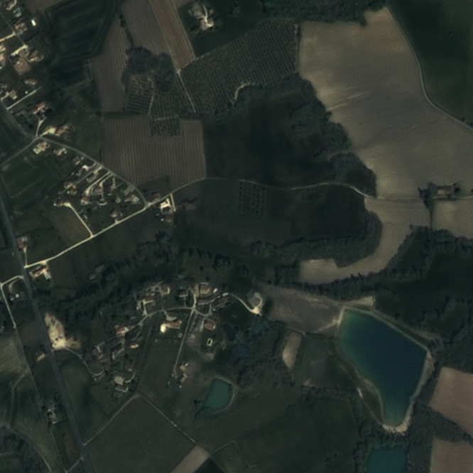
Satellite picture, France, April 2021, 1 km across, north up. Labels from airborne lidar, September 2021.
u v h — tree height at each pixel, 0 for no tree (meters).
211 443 0
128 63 10
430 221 0
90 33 0
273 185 0
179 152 0
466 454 0
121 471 0
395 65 0
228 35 0
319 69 0
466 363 13
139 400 0
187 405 0
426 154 0
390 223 0
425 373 0
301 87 16
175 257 31
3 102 0
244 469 0
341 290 19
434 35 0
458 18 0
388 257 0
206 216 0
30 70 0
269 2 20
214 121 9
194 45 0
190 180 0
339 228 0
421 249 0
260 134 0
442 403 0
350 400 11
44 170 0
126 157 0
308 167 0
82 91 0
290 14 16
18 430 0
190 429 0
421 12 0
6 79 0
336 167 21
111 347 7
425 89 0
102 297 26
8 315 8
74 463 0
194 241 0
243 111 0
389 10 0
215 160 0
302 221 0
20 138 0
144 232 0
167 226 0
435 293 0
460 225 0
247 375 12
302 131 13
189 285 12
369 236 18
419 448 16
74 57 0
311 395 7
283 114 0
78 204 0
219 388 0
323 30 0
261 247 20
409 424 0
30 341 0
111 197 0
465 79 0
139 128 0
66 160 0
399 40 0
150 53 14
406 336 0
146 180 0
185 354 0
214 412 0
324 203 0
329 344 0
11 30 0
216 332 0
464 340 16
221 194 0
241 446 0
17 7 0
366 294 14
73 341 0
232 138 0
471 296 0
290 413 0
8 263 0
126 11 0
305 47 0
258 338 10
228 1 0
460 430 14
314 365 0
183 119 13
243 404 0
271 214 0
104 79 0
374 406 0
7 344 0
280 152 0
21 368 0
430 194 15
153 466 0
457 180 0
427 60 0
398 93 0
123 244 0
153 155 0
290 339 0
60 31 0
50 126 0
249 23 0
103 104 0
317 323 0
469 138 0
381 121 0
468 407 0
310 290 12
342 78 0
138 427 0
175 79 13
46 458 0
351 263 18
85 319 18
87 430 0
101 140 0
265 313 0
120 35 0
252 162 0
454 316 0
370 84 0
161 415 0
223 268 25
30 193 0
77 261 0
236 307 0
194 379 0
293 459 0
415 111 0
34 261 0
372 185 12
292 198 0
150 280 14
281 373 11
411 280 13
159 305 0
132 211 0
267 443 0
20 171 0
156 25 0
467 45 0
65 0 0
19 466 0
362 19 14
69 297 0
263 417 0
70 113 0
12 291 0
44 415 0
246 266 0
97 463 0
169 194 0
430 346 0
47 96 0
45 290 0
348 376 0
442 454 0
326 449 0
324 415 0
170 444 0
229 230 0
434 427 17
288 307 0
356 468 10
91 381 0
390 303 0
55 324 0
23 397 0
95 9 0
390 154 0
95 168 0
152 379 0
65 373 0
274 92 15
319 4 22
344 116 0
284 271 17
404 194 0
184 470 0
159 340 0
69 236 0
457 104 0
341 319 0
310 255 19
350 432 0
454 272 0
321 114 21
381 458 0
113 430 0
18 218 0
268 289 0
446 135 0
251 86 11
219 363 0
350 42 0
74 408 0
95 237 0
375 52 0
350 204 0
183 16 0
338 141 21
